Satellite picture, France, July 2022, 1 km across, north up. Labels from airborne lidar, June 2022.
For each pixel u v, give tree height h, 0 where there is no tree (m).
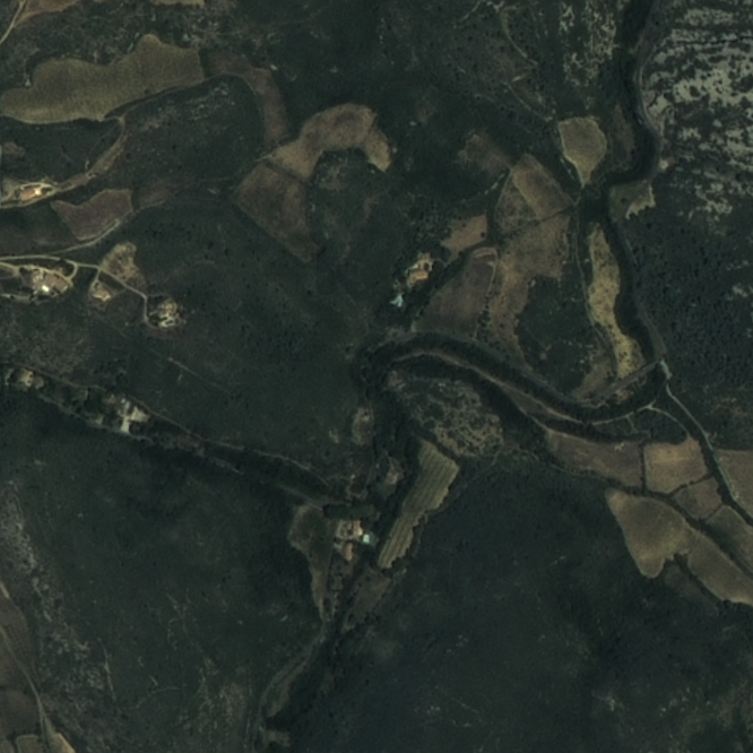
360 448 6
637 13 13
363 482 8
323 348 8
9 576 0
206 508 0
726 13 0
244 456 9
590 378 0
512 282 0
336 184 0
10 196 0
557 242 0
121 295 0
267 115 0
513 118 14
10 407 8
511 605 0
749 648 7
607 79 15
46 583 0
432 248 7
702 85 0
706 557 0
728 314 8
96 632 0
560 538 6
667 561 10
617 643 10
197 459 9
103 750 0
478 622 0
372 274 0
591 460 0
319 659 8
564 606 8
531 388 11
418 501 0
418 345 7
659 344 0
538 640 0
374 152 0
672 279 8
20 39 0
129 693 0
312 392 0
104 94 0
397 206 0
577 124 0
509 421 9
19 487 0
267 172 0
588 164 0
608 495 0
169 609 0
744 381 8
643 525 0
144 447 8
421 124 10
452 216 7
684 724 0
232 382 0
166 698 0
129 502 6
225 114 0
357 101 7
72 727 0
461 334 0
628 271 7
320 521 0
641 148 13
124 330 0
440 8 7
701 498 0
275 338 7
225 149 0
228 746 0
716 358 12
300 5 0
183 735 0
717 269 9
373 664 5
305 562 11
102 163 0
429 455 0
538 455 6
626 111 11
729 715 0
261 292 0
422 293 12
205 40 0
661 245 6
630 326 6
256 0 0
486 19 8
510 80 0
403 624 0
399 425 11
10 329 0
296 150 0
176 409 0
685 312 8
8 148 0
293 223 0
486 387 11
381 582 0
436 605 0
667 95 6
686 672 7
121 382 12
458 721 0
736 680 0
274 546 6
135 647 0
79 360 0
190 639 0
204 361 0
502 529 0
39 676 0
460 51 7
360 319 0
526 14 8
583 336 7
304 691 9
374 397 7
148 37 0
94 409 5
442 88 6
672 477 0
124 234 6
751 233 0
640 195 0
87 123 8
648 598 9
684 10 0
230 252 11
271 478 19
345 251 0
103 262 0
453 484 7
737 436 0
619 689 0
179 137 0
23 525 0
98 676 0
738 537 0
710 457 11
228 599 0
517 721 0
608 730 0
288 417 0
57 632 0
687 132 0
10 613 0
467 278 0
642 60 0
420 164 10
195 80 0
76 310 0
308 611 7
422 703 0
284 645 7
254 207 0
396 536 0
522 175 0
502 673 0
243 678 0
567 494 9
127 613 0
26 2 0
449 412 0
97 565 0
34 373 9
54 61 0
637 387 6
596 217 8
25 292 7
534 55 8
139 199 0
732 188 0
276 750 13
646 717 0
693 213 0
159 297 8
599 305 0
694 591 0
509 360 9
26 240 0
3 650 0
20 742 0
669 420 7
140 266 0
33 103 0
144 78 0
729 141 0
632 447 0
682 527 0
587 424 7
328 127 0
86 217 0
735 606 8
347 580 8
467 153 0
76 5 0
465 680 0
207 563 0
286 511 9
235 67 0
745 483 0
